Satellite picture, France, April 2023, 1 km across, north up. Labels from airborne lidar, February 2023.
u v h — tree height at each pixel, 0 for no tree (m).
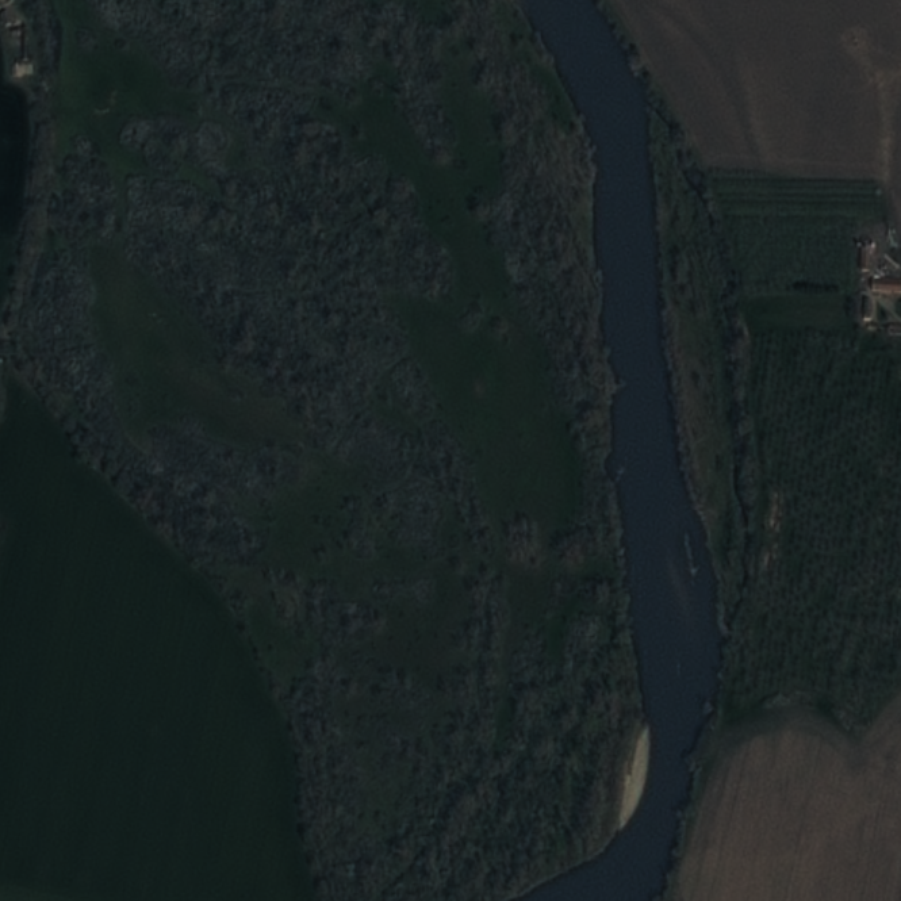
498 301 0
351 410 9
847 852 0
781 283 13
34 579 0
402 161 0
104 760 0
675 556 0
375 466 9
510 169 11
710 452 0
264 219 20
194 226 18
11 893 0
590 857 29
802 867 0
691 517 0
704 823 0
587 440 15
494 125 0
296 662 0
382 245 22
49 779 0
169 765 0
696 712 0
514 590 0
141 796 0
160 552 0
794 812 0
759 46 0
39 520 0
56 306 6
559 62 0
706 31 0
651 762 0
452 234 0
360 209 13
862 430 8
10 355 22
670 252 0
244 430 0
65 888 0
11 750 0
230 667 0
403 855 27
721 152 0
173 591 0
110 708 0
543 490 0
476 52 21
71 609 0
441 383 0
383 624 18
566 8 0
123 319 0
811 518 8
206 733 0
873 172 0
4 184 0
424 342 0
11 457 0
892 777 0
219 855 0
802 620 8
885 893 0
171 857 0
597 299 15
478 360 0
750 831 0
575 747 12
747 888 0
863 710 6
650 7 0
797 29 0
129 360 0
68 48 0
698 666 0
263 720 0
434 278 15
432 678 0
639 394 0
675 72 0
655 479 0
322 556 15
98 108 0
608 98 0
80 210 7
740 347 25
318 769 13
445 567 0
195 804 0
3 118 0
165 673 0
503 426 0
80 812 0
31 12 16
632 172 0
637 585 0
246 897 0
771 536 11
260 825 0
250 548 19
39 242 12
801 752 0
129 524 0
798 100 0
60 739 0
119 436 10
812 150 0
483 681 23
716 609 0
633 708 0
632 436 0
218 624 0
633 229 0
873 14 0
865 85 0
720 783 0
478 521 20
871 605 7
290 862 0
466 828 22
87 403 17
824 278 10
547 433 0
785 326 0
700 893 0
